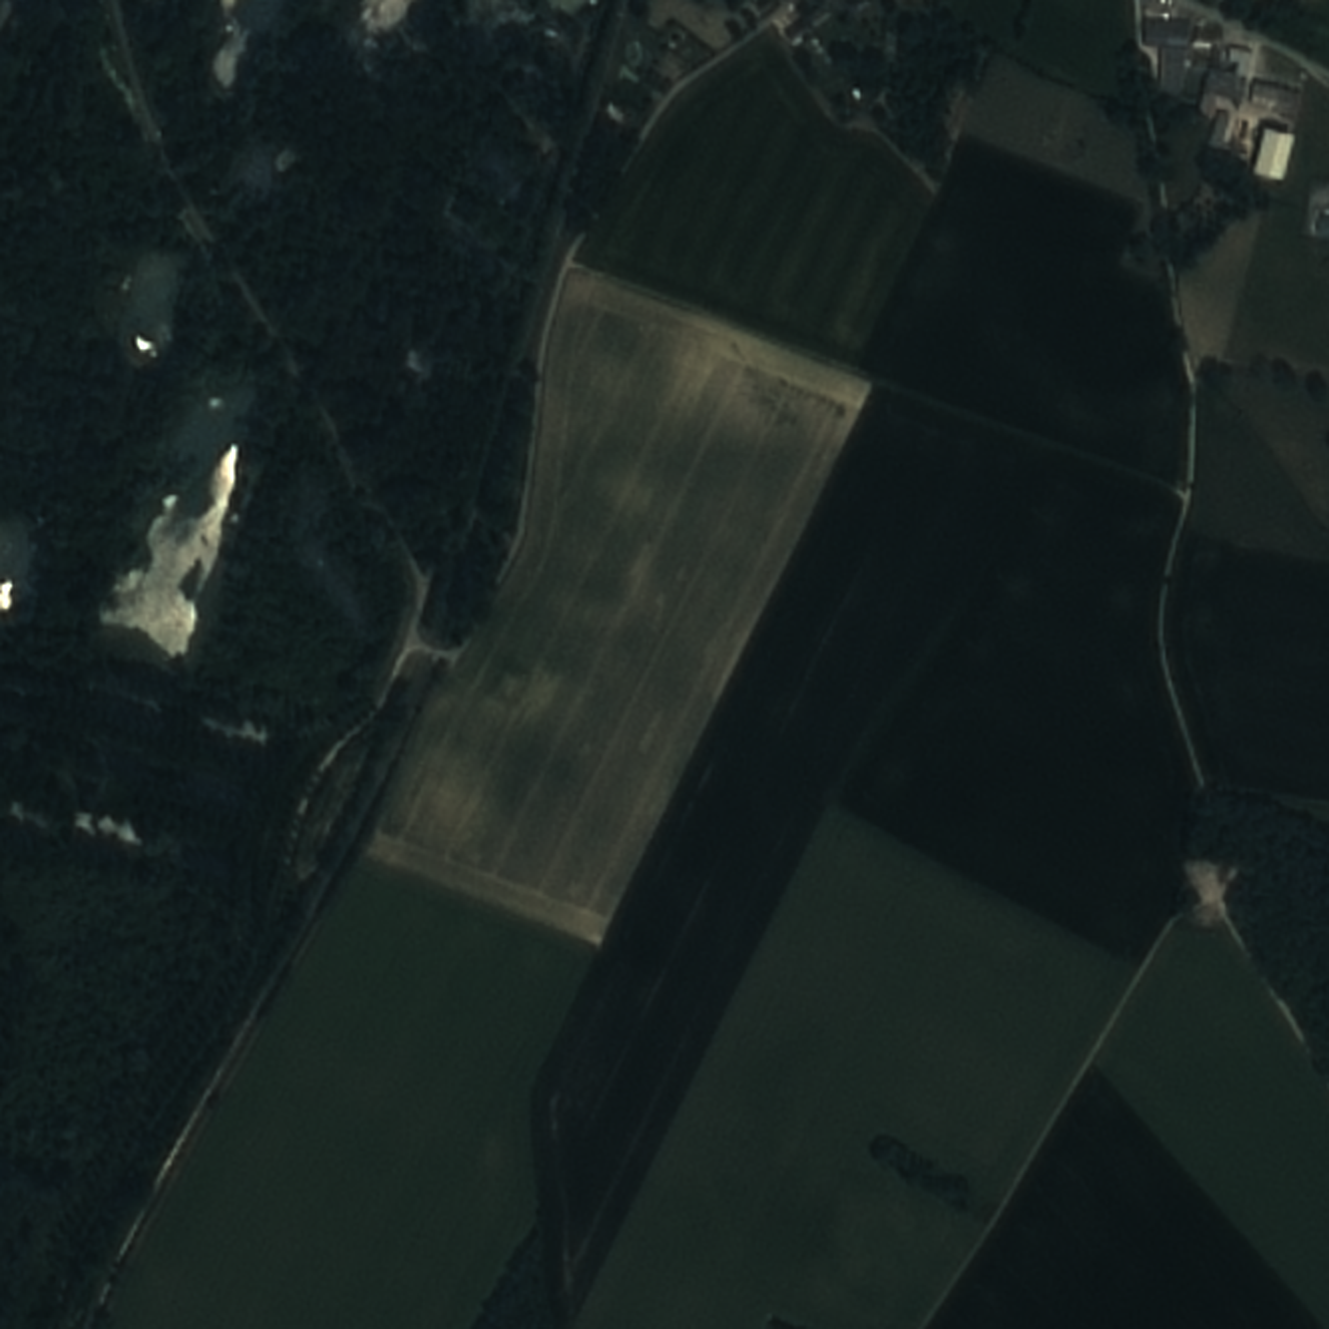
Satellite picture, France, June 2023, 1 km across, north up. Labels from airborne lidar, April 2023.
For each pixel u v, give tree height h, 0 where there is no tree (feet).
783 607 0
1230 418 0
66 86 104
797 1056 0
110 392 112
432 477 97
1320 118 0
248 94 54
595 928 0
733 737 0
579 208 65
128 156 24
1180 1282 0
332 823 0
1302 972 45
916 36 44
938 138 53
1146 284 0
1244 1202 0
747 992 0
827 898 0
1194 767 0
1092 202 0
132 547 47
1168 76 0
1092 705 0
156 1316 0
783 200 0
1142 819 0
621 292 0
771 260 0
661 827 0
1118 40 0
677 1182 0
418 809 0
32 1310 25
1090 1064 0
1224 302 0
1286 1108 0
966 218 0
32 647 59
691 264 0
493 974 0
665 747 0
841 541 0
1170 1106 0
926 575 0
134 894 21
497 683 0
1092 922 0
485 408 71
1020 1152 0
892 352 0
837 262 0
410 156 39
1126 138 0
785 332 0
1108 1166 0
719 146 0
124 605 0
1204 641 0
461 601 77
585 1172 0
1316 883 67
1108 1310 0
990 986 0
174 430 0
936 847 0
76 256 57
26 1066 25
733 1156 0
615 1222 0
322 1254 0
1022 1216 0
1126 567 0
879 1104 0
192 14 58
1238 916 36
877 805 0
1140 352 0
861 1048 0
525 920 0
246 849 80
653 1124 0
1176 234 58
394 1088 0
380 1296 0
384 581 28
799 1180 0
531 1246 30
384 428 115
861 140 0
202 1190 0
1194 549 0
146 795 73
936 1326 0
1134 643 0
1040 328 0
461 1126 0
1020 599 0
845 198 0
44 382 55
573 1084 0
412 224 95
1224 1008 0
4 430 23
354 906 0
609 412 0
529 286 38
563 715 0
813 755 0
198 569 0
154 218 48
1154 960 0
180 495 0
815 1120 0
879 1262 0
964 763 0
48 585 90
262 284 45
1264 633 0
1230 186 53
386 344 105
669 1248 0
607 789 0
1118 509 0
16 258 56
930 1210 0
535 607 0
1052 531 0
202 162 73
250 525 55
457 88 37
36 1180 121
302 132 110
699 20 0
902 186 0
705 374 0
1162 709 0
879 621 0
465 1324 0
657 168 0
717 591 0
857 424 0
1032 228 0
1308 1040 30
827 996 0
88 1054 40
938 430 0
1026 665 0
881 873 0
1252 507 0
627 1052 0
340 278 85
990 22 0
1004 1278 0
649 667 0
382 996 0
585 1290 0
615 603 0
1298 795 0
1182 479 0
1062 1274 0
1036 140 0
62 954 20
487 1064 0
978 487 0
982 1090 0
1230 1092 0
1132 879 0
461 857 0
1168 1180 0
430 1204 0
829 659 0
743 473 0
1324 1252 0
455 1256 0
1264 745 0
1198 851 33
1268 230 0
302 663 28
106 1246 28
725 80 0
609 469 0
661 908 0
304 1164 0
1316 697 0
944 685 0
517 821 0
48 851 73
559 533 0
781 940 0
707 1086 0
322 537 32
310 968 0
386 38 39
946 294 0
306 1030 0
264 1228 0
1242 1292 0
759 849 0
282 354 53
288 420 87
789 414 0
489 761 0
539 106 63
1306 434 0
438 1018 0
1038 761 0
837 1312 0
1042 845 0
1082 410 0
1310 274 0
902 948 0
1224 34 0
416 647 0
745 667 0
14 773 70
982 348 0
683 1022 0
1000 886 0
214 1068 26
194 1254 0
